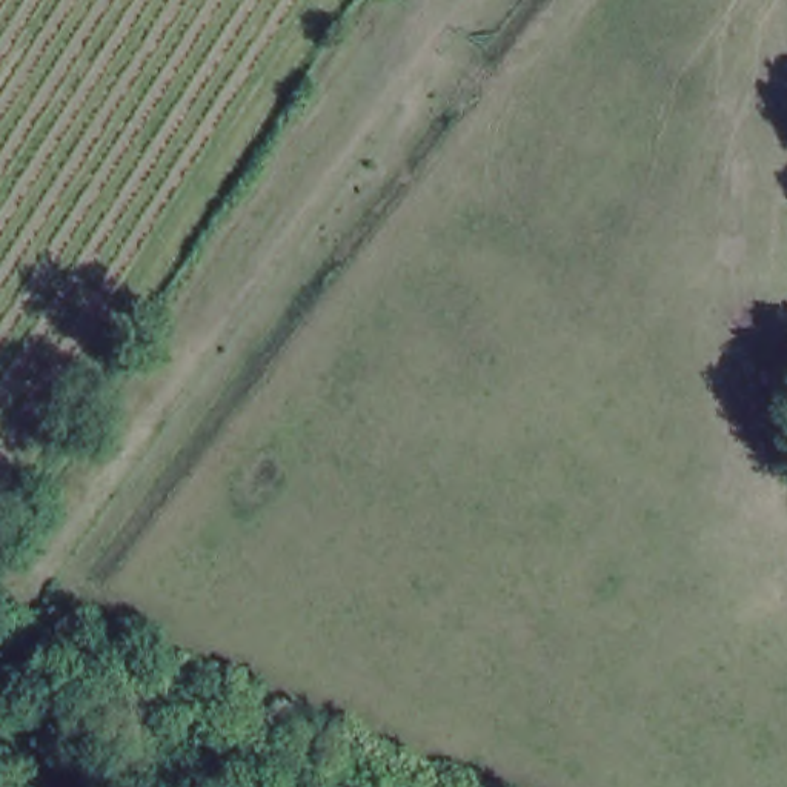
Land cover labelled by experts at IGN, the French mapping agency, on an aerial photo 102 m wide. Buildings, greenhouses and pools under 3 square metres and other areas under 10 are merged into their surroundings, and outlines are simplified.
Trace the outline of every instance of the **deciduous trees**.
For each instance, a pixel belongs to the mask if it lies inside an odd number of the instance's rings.
[[[197,655],[194,661],[181,664],[166,639],[166,627],[154,618],[120,618],[105,624],[95,606],[80,606],[77,627],[61,646],[37,646],[25,664],[12,667],[9,676],[0,682],[0,787],[28,787],[49,769],[74,775],[83,787],[477,787],[477,772],[464,769],[461,759],[452,756],[449,762],[430,762],[412,747],[394,747],[375,738],[360,716],[310,713],[310,701],[304,692],[267,689],[264,676],[249,676],[243,667],[218,667],[209,661],[209,655]]]
[[[784,452],[772,477],[787,483],[787,375],[778,394],[772,397],[769,409],[778,427],[775,446]]]
[[[0,643],[6,643],[15,630],[34,621],[28,606],[9,603],[6,572],[31,575],[37,560],[43,560],[49,541],[65,526],[61,473],[71,470],[77,458],[89,464],[105,464],[123,452],[129,412],[123,378],[154,378],[172,363],[175,310],[169,307],[169,295],[160,295],[154,304],[141,307],[132,304],[132,310],[126,310],[114,326],[114,354],[101,363],[95,357],[74,360],[55,378],[55,387],[37,421],[49,430],[46,464],[22,464],[18,486],[0,492]]]

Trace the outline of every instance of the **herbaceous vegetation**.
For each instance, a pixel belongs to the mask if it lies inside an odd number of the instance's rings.
[[[37,421],[28,443],[12,449],[12,455],[6,458],[12,464],[22,464],[46,464],[49,430]]]
[[[12,667],[25,664],[37,646],[61,646],[77,627],[80,606],[95,606],[105,624],[120,618],[154,618],[166,627],[166,639],[181,664],[194,661],[197,655],[209,655],[209,661],[218,667],[243,667],[249,676],[264,676],[267,689],[304,692],[310,701],[310,713],[360,716],[375,738],[394,747],[412,747],[430,762],[449,762],[452,756],[461,759],[464,769],[477,772],[477,787],[787,787],[787,483],[772,477],[784,452],[775,446],[778,427],[769,409],[772,397],[778,394],[787,375],[787,0],[547,0],[547,6],[535,15],[535,22],[520,34],[513,49],[498,65],[489,61],[486,52],[495,43],[495,37],[507,28],[513,12],[523,6],[523,0],[295,0],[295,9],[283,15],[267,49],[261,52],[261,58],[224,108],[203,151],[184,172],[181,184],[175,188],[160,218],[148,231],[144,243],[138,246],[132,264],[126,267],[120,283],[135,292],[132,304],[141,307],[154,304],[160,295],[169,295],[169,307],[175,310],[172,363],[154,378],[123,378],[129,412],[123,452],[105,464],[89,464],[77,458],[71,470],[61,473],[65,526],[49,541],[43,560],[37,560],[31,575],[6,572],[9,603],[28,606],[34,621],[15,630],[6,643],[0,643],[0,682],[9,676]],[[307,117],[295,126],[289,123],[286,108],[304,77],[310,80],[317,101],[307,111]],[[203,452],[191,461],[191,467],[175,480],[163,504],[151,513],[148,526],[138,532],[129,550],[114,563],[114,569],[105,578],[95,578],[95,560],[126,526],[126,520],[141,504],[148,489],[157,483],[163,467],[188,443],[188,437],[206,418],[212,403],[224,394],[224,387],[240,375],[240,369],[261,344],[261,338],[274,329],[274,323],[289,307],[295,292],[310,280],[323,258],[375,203],[375,197],[394,178],[400,163],[406,163],[406,154],[418,148],[430,120],[443,111],[455,111],[458,123],[437,138],[421,172],[412,172],[409,184],[400,191],[400,203],[387,206],[387,212],[369,231],[372,240],[357,252],[357,258],[347,258],[338,267],[338,280],[329,289],[323,289],[310,310],[292,326],[292,332],[283,338],[267,366],[255,375],[240,403],[206,440]],[[209,227],[212,215],[221,209],[240,175],[249,169],[252,157],[267,144],[274,132],[283,138],[283,144],[271,163],[267,178],[255,188],[249,203],[227,224],[221,224],[221,231],[209,243],[206,264],[194,271],[194,264],[188,261],[194,243]]]
[[[28,787],[83,787],[74,775],[49,769]]]

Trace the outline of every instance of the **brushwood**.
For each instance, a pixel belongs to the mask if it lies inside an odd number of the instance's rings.
[[[310,80],[304,77],[286,108],[289,123],[295,126],[307,117],[307,111],[317,101]]]
[[[274,132],[267,144],[252,157],[249,169],[240,175],[221,209],[212,215],[209,227],[194,243],[188,261],[194,264],[194,271],[206,264],[209,243],[221,231],[221,224],[227,224],[249,203],[255,188],[267,178],[271,163],[283,144],[283,138]]]

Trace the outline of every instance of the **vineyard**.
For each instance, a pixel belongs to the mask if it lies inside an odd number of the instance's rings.
[[[181,184],[184,172],[203,151],[224,108],[261,58],[261,52],[267,49],[283,15],[295,9],[295,0],[0,0],[0,492],[18,486],[22,464],[12,464],[6,458],[12,455],[12,449],[28,443],[37,421],[55,387],[55,378],[74,360],[95,357],[101,363],[114,354],[114,326],[126,310],[132,310],[132,304],[135,292],[120,283],[126,267],[132,264],[138,246],[144,243],[148,231],[160,218],[175,188]]]

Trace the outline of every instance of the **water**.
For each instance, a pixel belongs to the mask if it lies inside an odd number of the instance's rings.
[[[114,563],[129,550],[138,532],[148,526],[151,513],[163,504],[175,480],[191,467],[191,461],[203,452],[206,440],[240,403],[255,375],[267,366],[283,338],[292,332],[292,326],[310,310],[323,289],[329,289],[338,280],[338,267],[347,258],[357,258],[357,252],[372,240],[369,231],[387,212],[387,206],[400,203],[400,191],[409,184],[412,172],[421,172],[437,138],[458,123],[455,111],[443,111],[430,120],[418,148],[406,154],[406,163],[400,163],[394,178],[375,197],[375,203],[323,258],[310,280],[295,292],[289,307],[274,323],[274,329],[261,338],[261,344],[240,369],[240,375],[224,387],[224,394],[212,403],[206,418],[188,437],[188,443],[163,467],[157,483],[148,489],[141,504],[126,520],[126,526],[95,560],[95,578],[105,578],[114,569]]]
[[[513,12],[507,28],[495,37],[495,43],[486,52],[489,61],[498,65],[513,49],[520,34],[535,22],[535,15],[547,6],[547,0],[523,0],[523,6]]]

